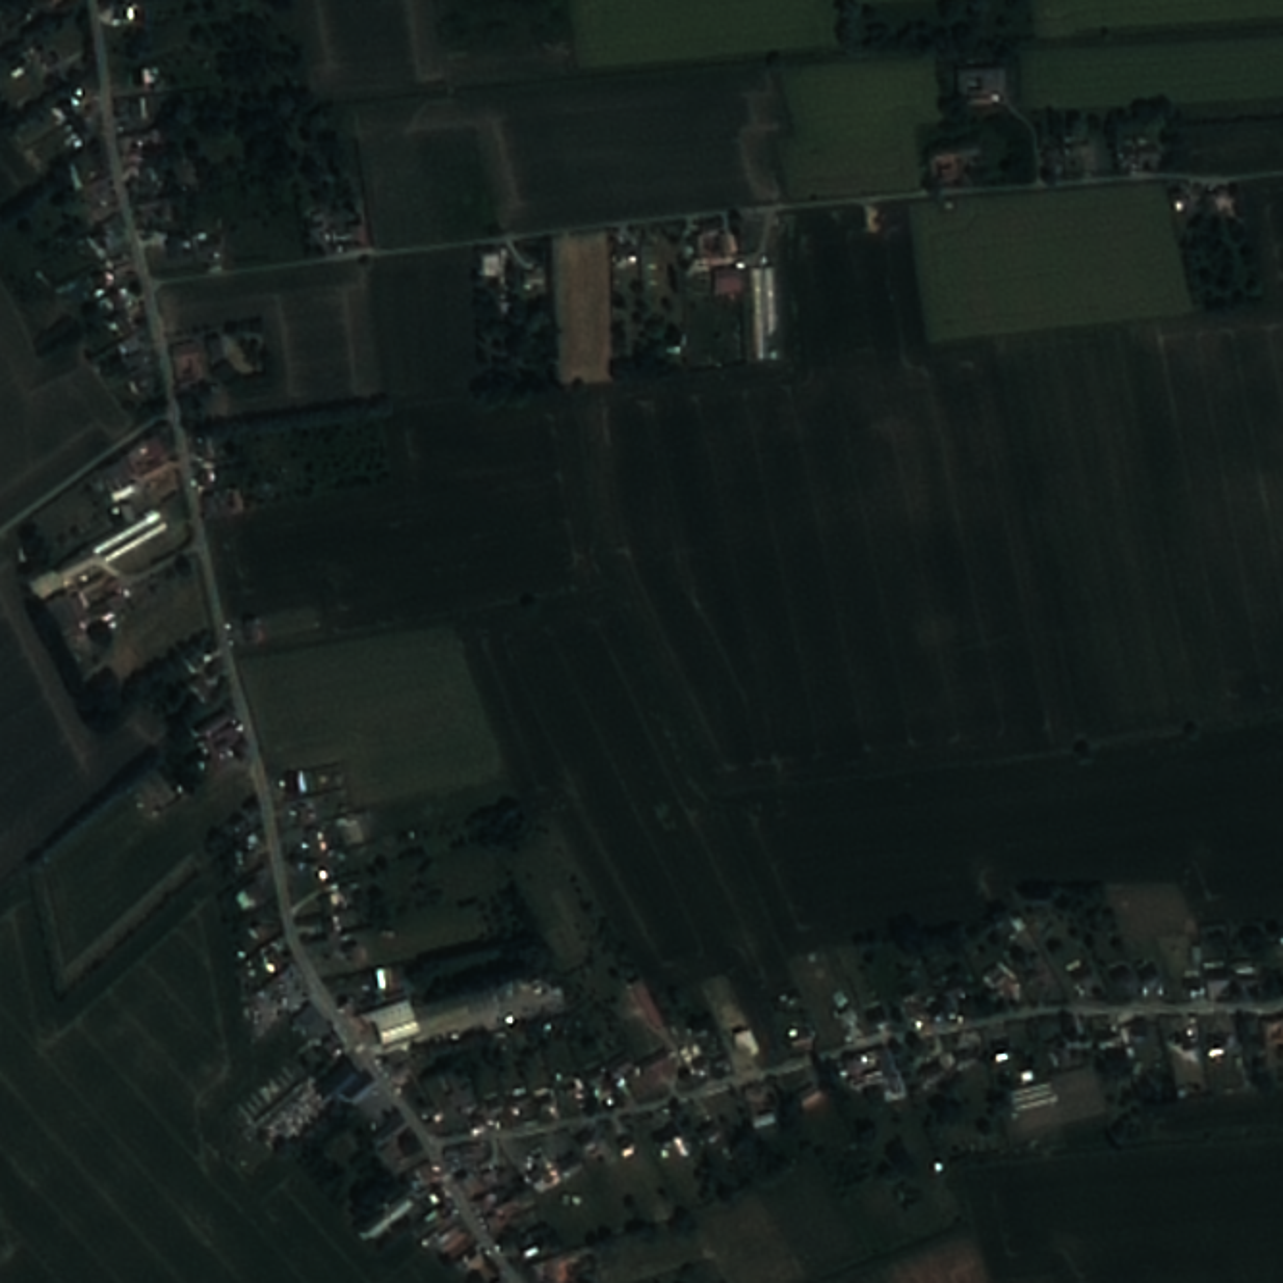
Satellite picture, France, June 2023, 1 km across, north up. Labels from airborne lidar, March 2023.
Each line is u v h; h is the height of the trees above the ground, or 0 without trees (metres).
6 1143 0
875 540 0
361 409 13
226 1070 0
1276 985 10
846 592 0
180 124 8
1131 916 0
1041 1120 0
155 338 0
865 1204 0
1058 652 0
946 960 0
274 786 0
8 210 10
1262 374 0
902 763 0
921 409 0
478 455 0
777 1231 0
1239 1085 0
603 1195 0
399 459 0
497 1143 0
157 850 0
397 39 0
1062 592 0
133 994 0
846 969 0
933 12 0
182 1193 0
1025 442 0
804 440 0
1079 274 0
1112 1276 0
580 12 0
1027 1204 0
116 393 0
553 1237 11
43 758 0
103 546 0
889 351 0
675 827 0
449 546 0
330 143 11
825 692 0
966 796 0
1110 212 0
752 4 0
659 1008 8
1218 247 13
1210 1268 0
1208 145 0
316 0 0
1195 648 0
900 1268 0
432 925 0
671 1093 0
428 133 0
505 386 15
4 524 0
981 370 0
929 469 0
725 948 0
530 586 0
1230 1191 0
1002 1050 0
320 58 0
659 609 0
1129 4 0
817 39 0
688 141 0
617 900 0
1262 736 0
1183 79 0
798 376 0
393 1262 0
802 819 0
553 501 0
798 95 0
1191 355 0
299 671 0
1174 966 0
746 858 0
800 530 0
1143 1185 0
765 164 0
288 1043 0
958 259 0
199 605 0
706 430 0
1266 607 0
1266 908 0
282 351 0
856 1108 0
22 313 0
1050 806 0
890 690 0
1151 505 0
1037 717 0
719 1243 0
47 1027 0
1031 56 0
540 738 0
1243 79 0
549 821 0
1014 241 0
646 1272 0
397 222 0
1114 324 0
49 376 0
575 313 0
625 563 0
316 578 0
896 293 0
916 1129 0
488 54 0
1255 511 0
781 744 0
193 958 0
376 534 0
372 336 0
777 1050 0
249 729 0
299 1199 0
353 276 0
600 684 0
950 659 0
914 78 0
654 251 0
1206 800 0
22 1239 0
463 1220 0
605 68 0
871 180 0
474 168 0
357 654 0
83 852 0
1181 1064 0
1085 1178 0
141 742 0
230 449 10
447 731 0
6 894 0
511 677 0
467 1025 0
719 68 0
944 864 0
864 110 0
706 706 0
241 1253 0
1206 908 0
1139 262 0
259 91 8
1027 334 0
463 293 0
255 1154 0
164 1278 0
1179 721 0
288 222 0
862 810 0
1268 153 0
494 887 0
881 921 0
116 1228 0
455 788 0
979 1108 0
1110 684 0
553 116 0
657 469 0
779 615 0
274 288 0
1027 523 0
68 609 0
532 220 0
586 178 0
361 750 0
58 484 0
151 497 0
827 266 0
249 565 0
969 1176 0
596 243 0
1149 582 0
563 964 0
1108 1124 0
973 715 0
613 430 0
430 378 0
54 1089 0
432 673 0
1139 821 0
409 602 0
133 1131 0
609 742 0
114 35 0
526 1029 11
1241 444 0
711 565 0
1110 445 0
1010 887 0
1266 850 0
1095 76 0
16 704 0
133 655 0
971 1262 0
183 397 10
